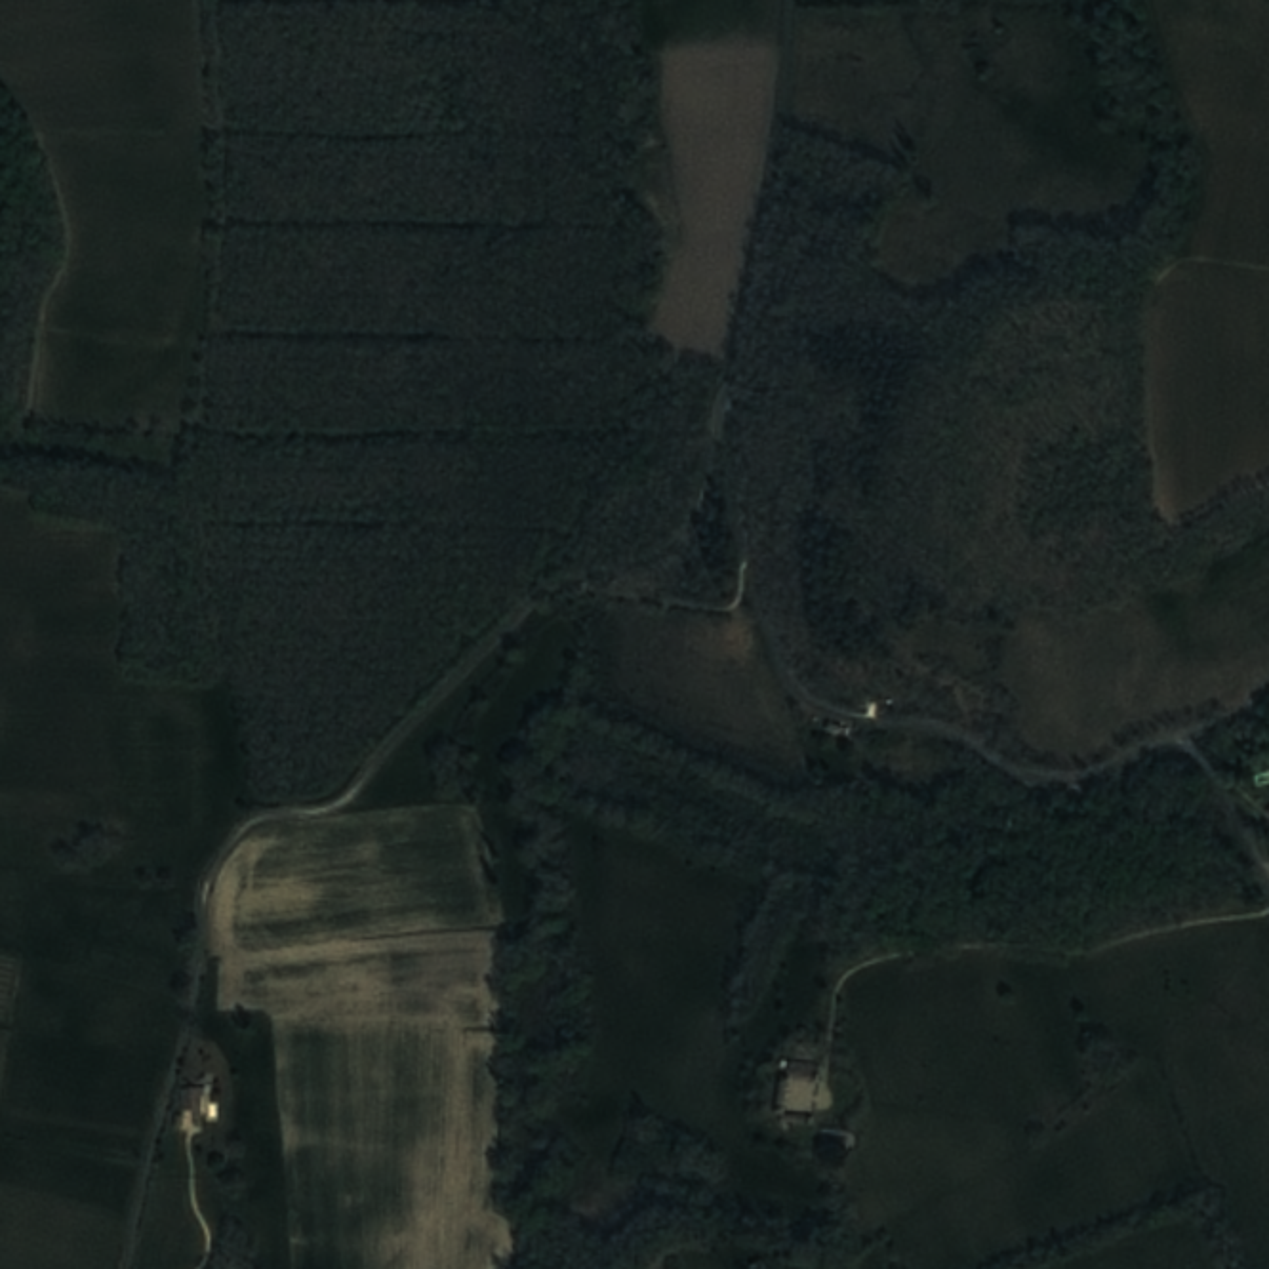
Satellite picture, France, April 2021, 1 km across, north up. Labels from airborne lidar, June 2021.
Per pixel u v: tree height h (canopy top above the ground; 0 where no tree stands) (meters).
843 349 21
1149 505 18
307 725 16
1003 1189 0
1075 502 7
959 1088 0
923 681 11
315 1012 0
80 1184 0
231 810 0
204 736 0
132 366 0
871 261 19
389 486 15
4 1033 0
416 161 14
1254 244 0
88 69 0
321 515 13
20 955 0
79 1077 0
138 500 20
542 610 15
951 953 17
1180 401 0
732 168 0
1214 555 18
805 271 21
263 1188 0
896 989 0
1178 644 0
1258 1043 0
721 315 0
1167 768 21
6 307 17
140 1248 0
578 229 20
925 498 17
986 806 22
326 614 18
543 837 18
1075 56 0
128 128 0
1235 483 0
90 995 0
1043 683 0
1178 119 10
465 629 17
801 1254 16
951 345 21
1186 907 18
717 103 0
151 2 0
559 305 19
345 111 14
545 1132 8
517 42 19
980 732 12
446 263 16
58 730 0
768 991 10
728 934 0
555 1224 23
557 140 19
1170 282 0
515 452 22
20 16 0
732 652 0
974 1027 0
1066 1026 0
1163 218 21
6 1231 0
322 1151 0
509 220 16
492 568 23
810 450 20
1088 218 0
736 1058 0
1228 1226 18
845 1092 0
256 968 0
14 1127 0
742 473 13
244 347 15
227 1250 17
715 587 7
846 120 0
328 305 16
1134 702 0
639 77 19
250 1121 0
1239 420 0
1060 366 14
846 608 17
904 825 21
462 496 19
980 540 17
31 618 0
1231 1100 0
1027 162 0
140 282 0
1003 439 13
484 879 0
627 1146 6
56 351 0
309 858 0
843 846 19
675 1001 0
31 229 20
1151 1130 0
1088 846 26
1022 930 23
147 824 0
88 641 0
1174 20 0
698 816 11
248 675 16
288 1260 0
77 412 0
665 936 0
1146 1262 0
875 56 0
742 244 0
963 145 0
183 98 0
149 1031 0
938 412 17
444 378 19
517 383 22
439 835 0
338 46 16
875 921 24
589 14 23
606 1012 0
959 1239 0
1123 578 19
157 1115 0
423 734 0
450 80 15
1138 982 0
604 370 21
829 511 13
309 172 16
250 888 0
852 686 14
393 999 0
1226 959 0
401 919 0
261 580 15
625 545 26
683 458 27
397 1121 0
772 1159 0
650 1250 20
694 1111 0
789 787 10
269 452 14
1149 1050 0
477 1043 0
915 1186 0
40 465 17
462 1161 0
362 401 16
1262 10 0
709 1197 18
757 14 0
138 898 0
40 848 0
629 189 15
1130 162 0
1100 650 0
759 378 17
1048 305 17
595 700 11
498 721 0
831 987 12
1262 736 26
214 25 16
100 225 0
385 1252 0
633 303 24
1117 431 13
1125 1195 0
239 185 13
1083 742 0
